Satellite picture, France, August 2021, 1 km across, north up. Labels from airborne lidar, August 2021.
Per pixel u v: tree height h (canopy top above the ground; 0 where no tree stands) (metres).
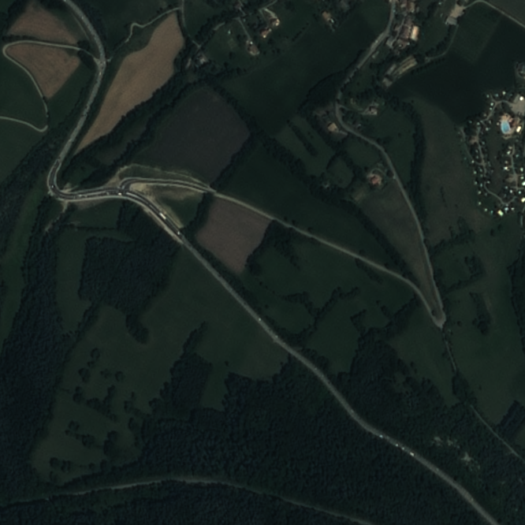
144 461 17
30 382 16
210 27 9
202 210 15
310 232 12
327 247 0
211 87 11
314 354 14
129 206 12
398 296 0
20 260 0
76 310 0
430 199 0
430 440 7
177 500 15
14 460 15
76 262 0
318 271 0
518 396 0
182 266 0
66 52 0
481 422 7
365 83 0
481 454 11
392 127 0
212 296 0
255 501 26
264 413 19
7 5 0
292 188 0
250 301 12
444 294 8
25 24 0
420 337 0
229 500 30
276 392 25
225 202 0
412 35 0
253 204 0
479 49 0
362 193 0
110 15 0
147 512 18
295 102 0
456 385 18
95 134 0
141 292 17
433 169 0
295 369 17
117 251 15
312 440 21
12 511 19
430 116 0
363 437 20
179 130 0
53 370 21
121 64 0
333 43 0
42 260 17
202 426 19
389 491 19
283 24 0
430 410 11
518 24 0
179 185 0
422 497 18
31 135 0
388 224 0
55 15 0
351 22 0
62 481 0
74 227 12
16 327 13
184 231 15
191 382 23
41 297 18
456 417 10
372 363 20
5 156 0
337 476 19
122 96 0
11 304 0
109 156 0
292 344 11
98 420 0
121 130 15
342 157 11
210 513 19
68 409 0
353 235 0
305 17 0
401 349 0
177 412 11
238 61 0
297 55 0
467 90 0
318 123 13
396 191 0
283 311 0
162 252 18
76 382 0
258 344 0
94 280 11
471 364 0
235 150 0
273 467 17
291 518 15
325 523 25
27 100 0
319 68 0
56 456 0
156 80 0
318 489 18
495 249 0
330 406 17
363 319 12
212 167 0
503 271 0
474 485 10
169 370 0
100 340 0
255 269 17
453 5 0
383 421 18
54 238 12
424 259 0
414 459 7
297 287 0
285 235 10
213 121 0
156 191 0
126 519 16
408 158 0
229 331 0
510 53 0
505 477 13
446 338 9
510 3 0
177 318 0
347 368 0
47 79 0
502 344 0
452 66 0
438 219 0
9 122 0
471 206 0
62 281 0
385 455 23
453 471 14
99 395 0
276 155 18
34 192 0
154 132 12
